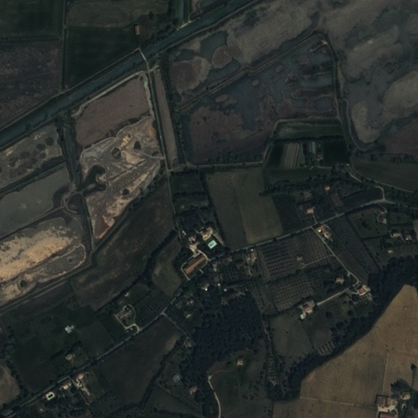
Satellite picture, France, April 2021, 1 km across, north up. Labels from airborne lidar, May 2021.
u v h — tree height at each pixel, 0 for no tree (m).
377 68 0
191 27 0
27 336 0
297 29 0
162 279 0
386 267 6
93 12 0
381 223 6
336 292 7
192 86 0
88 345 0
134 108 0
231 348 11
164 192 0
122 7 0
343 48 0
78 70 0
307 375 8
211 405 14
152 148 0
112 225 0
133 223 0
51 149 0
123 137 0
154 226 0
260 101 0
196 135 0
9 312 0
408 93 0
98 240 0
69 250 0
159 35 11
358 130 0
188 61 0
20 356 0
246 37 0
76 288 0
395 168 0
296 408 0
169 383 8
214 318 14
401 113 0
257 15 0
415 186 0
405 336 0
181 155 0
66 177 0
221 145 0
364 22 0
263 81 0
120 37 0
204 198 8
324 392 0
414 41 0
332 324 0
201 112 0
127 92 0
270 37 0
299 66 0
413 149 0
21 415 8
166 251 0
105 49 0
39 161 0
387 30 0
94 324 0
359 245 0
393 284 16
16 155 0
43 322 0
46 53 0
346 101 0
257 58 0
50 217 0
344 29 0
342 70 0
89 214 0
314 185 11
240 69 0
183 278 9
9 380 0
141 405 8
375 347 0
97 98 0
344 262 0
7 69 0
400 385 13
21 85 0
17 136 0
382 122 0
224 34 0
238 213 0
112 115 0
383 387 0
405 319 0
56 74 0
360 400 0
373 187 11
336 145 0
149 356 0
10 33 0
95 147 0
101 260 0
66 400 11
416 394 10
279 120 0
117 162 0
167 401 0
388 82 0
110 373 0
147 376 0
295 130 0
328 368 0
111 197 0
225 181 0
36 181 0
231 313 14
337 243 7
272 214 0
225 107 0
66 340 0
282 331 0
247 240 0
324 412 0
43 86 0
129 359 0
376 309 5
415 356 0
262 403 0
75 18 0
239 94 0
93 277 0
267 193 6
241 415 0
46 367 0
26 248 0
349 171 0
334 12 0
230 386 0
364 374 0
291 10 0
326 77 0
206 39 0
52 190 0
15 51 0
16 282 0
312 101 0
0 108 0
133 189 0
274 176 0
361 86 0
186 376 14
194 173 17
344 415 0
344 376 0
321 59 0
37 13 0
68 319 0
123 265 0
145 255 0
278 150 0
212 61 0
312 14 0
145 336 0
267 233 0
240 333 15
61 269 0
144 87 0
